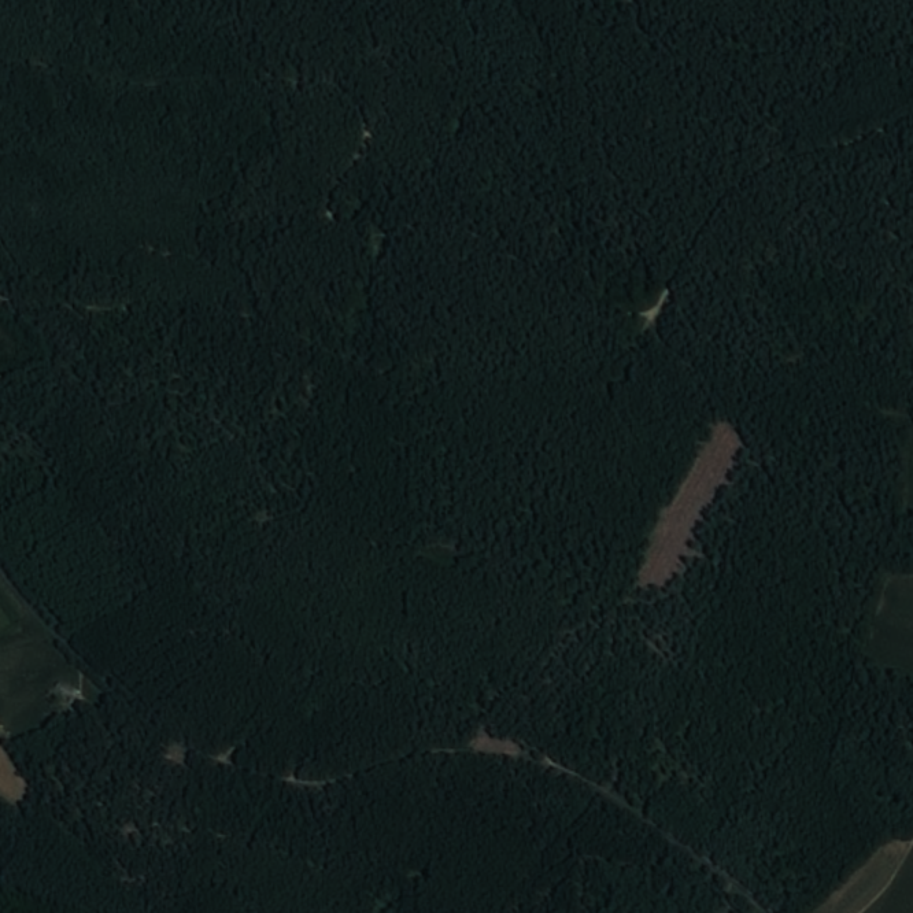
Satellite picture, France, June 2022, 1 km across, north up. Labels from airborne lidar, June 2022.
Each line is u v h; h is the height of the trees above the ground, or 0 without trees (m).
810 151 7
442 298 27
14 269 13
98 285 23
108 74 16
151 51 17
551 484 20
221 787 21
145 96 19
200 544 13
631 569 23
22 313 17
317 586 16
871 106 19
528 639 20
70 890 32
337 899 21
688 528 0
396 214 28
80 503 23
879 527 29
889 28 23
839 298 16
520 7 21
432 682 22
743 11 20
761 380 21
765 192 27
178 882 18
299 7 23
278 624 25
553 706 22
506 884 24
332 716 19
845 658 22
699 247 20
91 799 21
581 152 22
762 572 25
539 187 21
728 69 25
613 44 21
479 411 22
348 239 27
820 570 24
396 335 20
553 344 23
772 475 29
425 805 30
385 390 17
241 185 23
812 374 18
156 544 19
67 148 17
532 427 24
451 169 26
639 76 24
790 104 22
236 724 20
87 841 14
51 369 17
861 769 27
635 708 18
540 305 22
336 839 22
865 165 19
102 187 17
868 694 20
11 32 16
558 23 21
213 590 21
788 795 20
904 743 21
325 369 19
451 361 21
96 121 16
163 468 16
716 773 18
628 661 17
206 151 16
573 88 21
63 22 14
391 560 20
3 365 9
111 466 12
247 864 20
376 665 20
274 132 12
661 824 21
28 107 20
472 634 20
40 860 33
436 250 24
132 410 18
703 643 13
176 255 10
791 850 27
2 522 17
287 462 22
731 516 24
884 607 0
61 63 14
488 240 26
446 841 24
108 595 23
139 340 9
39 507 18
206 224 14
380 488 18
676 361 22
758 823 20
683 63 25
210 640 23
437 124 23
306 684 21
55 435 24
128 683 26
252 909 22
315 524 22
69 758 23
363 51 21
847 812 21
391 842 22
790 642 8
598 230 30
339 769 22
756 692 15
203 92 15
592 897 10
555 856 23
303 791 17
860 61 24
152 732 26
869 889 0
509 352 18
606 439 24
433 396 19
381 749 27
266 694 21
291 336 21
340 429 16
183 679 24
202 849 21
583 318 24
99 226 13
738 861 24
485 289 27
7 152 16
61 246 16
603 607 26
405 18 24
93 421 25
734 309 21
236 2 25
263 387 18
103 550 21
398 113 19
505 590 17
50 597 23
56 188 15
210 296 17
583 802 20
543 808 15
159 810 16
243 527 14
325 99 20
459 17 26
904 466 27
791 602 26
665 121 22
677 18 23
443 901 20
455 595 18
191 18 21
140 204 13
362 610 19
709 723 16
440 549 21
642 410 22
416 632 18
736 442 0
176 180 13
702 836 18
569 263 26
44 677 0
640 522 24
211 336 26
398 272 30
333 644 20
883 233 10
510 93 28
